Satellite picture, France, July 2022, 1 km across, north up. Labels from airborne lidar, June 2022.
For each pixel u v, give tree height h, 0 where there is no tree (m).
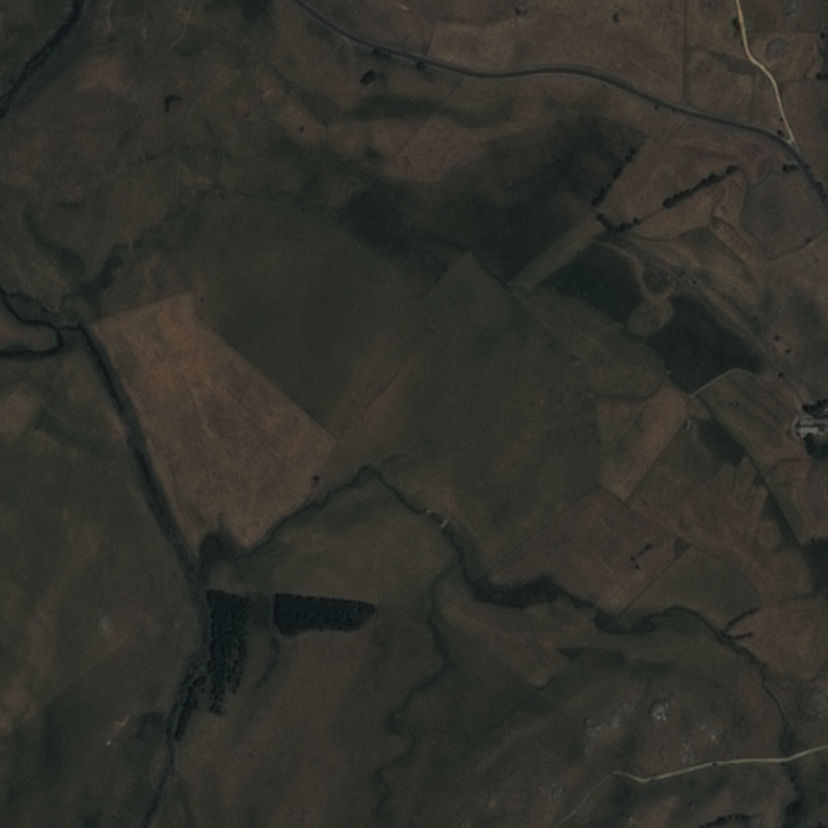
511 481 0
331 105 0
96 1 0
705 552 0
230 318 0
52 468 0
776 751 0
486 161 0
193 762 0
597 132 0
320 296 0
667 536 0
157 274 0
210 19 0
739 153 0
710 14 0
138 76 0
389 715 0
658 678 0
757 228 0
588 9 0
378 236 0
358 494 0
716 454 0
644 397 0
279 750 0
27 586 0
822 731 0
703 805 0
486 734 0
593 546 0
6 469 0
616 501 0
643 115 0
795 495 0
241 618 9
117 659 0
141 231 0
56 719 0
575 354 0
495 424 0
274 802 0
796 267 0
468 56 0
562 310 0
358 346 0
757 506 0
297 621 15
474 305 0
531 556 0
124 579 0
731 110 0
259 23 0
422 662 0
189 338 0
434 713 0
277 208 0
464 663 0
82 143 0
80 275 0
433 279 0
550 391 0
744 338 0
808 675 0
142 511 0
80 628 0
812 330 0
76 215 0
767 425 0
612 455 0
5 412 0
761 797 0
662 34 0
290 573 0
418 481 0
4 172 0
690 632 0
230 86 0
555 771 0
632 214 0
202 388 0
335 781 0
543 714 0
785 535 0
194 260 0
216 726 0
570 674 0
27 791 0
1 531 0
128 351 0
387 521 0
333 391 0
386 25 0
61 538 0
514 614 0
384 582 0
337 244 0
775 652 0
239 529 0
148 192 0
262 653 0
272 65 0
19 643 0
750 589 0
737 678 0
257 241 0
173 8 0
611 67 0
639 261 0
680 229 0
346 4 0
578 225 0
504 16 0
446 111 0
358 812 0
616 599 0
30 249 0
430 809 0
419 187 0
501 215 0
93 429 0
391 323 0
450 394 0
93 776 0
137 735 0
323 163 0
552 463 0
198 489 0
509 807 0
